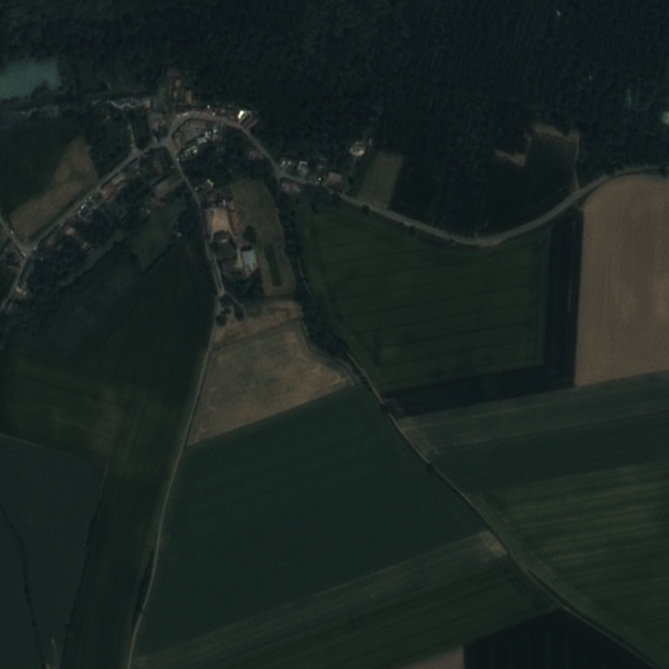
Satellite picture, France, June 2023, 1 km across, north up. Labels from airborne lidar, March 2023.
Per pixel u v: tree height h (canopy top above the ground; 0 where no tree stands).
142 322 0
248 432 0
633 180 0
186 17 31
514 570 0
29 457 0
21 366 0
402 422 0
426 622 0
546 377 0
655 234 0
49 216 0
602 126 16
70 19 17
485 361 0
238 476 0
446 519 0
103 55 30
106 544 0
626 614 0
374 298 0
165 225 0
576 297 0
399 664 0
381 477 0
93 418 0
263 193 0
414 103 23
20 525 0
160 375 0
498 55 30
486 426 0
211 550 0
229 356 0
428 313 0
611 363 0
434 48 22
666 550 0
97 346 0
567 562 0
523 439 0
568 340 0
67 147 0
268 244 0
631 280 0
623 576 0
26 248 0
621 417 0
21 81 0
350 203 0
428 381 0
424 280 0
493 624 0
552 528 0
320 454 0
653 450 0
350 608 0
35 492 0
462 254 0
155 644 0
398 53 33
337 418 0
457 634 0
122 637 0
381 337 0
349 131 22
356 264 0
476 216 15
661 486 0
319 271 0
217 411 0
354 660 0
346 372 0
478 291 0
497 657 0
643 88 10
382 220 0
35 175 0
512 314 0
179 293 0
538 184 0
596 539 0
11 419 0
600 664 0
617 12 28
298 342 0
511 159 0
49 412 0
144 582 7
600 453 0
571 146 0
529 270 0
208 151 17
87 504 0
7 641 0
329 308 0
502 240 0
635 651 0
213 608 0
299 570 0
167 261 0
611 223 0
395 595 0
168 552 0
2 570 0
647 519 0
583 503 0
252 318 0
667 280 0
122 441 0
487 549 0
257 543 0
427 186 0
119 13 6
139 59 31
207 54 14
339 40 29
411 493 0
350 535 0
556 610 0
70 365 0
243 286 6
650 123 17
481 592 0
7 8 13
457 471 0
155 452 0
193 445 0
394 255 0
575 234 0
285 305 0
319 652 0
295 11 26
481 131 18
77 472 0
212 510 0
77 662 0
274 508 0
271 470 0
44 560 0
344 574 0
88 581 0
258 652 0
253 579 0
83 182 0
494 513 0
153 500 0
